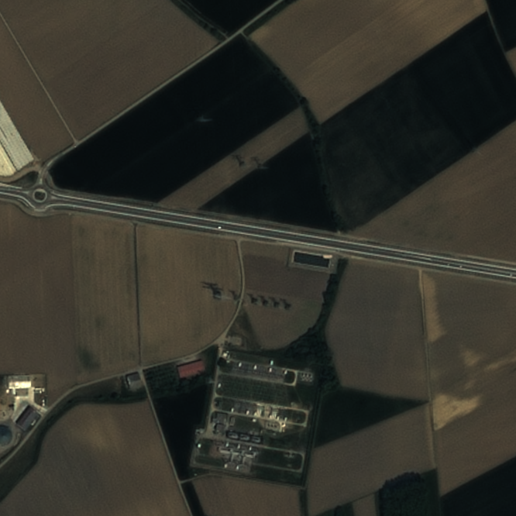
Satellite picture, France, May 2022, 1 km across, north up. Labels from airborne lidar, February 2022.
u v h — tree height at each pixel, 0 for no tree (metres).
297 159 0
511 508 0
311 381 0
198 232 0
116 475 0
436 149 0
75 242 0
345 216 0
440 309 0
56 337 0
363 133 0
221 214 0
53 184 0
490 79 0
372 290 0
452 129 0
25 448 0
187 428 0
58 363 0
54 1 0
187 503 0
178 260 0
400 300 0
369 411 0
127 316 0
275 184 0
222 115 0
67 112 0
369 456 0
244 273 0
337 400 0
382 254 0
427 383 0
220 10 0
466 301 0
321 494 0
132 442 0
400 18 0
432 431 0
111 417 0
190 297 0
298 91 0
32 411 0
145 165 0
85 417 0
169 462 0
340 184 0
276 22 0
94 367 0
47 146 0
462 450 0
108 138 0
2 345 0
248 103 0
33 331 0
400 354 0
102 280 0
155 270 0
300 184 0
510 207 0
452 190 0
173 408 0
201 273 0
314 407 0
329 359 19
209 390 0
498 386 0
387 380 0
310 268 0
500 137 0
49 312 0
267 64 0
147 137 0
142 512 0
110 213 0
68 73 0
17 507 0
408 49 0
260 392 0
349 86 0
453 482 0
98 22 0
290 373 0
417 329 0
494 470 0
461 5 0
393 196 0
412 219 0
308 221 0
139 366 0
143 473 0
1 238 0
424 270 0
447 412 0
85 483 0
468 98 0
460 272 0
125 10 0
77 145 0
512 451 0
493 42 0
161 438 0
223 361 11
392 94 0
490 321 0
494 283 0
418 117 0
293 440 0
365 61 0
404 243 0
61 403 0
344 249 0
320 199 0
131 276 0
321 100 0
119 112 0
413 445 0
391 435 0
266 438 0
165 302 0
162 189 0
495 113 0
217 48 0
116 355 0
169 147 0
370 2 0
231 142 0
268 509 0
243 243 0
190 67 0
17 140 0
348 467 0
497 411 0
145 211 0
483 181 0
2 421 0
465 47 0
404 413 0
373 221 0
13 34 0
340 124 0
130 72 0
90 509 0
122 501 0
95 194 0
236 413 0
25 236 0
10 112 0
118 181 0
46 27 0
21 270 0
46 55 0
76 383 0
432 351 0
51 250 0
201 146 0
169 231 0
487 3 0
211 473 0
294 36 0
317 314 0
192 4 0
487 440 0
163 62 0
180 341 0
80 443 0
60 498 0
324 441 0
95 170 0
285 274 0
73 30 0
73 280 0
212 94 0
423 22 0
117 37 0
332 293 9
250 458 0
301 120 0
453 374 0
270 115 0
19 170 0
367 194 0
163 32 0
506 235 0
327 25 0
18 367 0
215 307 0
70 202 0
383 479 0
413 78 0
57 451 0
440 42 0
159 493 0
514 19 0
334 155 0
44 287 0
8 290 0
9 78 0
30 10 0
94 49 0
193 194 0
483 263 0
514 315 0
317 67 0
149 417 0
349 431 0
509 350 0
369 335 0
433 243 0
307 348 12
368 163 0
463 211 0
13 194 0
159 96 0
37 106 0
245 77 0
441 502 0
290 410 0
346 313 0
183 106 0
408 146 0
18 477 0
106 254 0
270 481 0
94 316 0
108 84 0
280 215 0
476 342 0
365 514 0
